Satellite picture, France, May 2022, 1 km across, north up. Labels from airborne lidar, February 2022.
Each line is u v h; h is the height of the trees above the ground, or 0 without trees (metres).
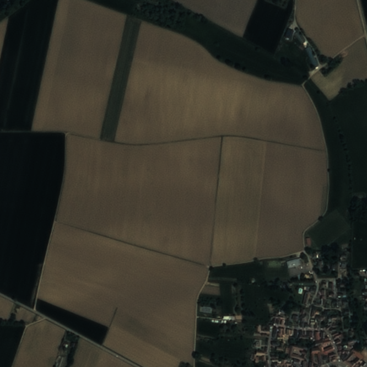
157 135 0
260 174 0
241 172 0
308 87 0
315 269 10
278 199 0
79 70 0
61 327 0
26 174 0
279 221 0
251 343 0
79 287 0
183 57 0
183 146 0
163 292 0
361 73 0
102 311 0
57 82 0
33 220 0
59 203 0
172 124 0
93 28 0
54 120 0
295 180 0
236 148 0
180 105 0
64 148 0
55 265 0
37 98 0
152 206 0
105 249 0
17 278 0
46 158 0
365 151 0
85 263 0
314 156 0
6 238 0
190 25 0
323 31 0
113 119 0
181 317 0
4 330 0
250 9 0
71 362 12
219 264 0
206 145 0
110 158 0
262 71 0
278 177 0
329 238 0
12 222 0
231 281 0
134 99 0
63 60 0
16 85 0
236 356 0
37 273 0
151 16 14
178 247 0
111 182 0
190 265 0
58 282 0
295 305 11
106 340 0
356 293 0
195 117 0
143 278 0
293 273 0
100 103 0
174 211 0
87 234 0
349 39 0
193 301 0
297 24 0
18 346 0
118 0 0
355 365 0
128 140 0
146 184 0
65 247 0
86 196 0
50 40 0
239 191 0
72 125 0
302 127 0
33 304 0
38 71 0
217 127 0
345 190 0
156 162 0
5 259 0
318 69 0
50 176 0
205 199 0
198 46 0
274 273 0
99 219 0
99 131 0
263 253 0
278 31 0
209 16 0
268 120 0
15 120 0
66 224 0
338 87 0
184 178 0
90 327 0
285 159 0
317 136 0
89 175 0
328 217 0
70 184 0
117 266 0
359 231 0
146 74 0
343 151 0
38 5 0
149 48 0
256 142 0
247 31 0
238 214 0
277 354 6
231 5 0
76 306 0
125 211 0
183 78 0
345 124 0
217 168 0
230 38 0
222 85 0
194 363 0
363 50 0
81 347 0
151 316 0
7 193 0
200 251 0
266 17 0
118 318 0
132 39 0
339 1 0
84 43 0
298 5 0
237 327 10
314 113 0
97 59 0
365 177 0
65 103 0
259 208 0
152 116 0
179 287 0
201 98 0
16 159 0
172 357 0
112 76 0
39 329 0
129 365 0
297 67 0
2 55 0
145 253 0
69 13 0
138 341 0
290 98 0
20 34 0
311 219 0
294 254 0
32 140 0
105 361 0
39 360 0
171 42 0
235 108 0
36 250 0
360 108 0
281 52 0
